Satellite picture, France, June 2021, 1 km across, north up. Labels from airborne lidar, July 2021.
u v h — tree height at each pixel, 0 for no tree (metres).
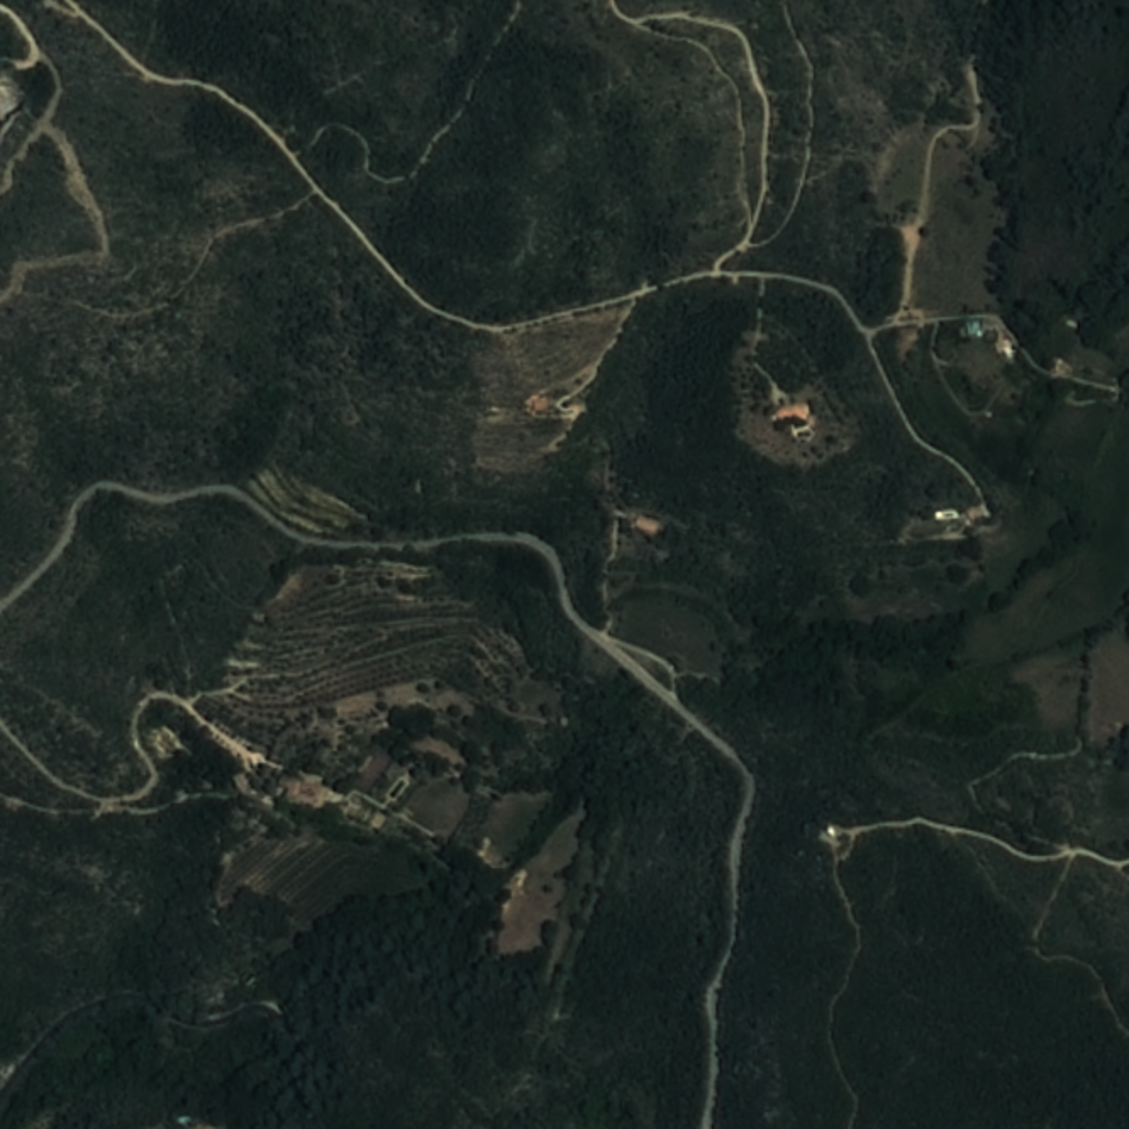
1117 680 0
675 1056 6
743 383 6
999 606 13
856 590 12
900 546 6
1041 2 23
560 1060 7
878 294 14
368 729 0
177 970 7
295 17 11
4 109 0
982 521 7
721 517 5
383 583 11
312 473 7
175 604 8
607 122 8
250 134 8
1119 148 14
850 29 0
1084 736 6
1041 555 8
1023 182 9
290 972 13
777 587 11
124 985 12
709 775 6
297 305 9
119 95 0
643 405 7
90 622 6
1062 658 0
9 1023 7
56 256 0
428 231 6
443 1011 6
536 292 9
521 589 7
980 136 0
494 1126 9
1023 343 8
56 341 9
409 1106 6
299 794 0
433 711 8
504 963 13
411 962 17
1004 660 0
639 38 0
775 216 0
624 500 7
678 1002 6
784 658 15
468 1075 6
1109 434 8
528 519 6
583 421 6
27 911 7
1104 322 9
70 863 6
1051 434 0
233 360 13
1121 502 0
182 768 16
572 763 21
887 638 7
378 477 6
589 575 6
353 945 26
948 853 8
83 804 10
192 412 8
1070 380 7
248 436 10
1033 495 0
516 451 0
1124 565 0
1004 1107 7
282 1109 18
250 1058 18
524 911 0
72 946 6
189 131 7
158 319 8
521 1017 10
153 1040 8
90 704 6
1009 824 7
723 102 0
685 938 8
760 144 0
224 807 9
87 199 0
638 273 8
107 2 7
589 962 8
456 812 0
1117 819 0
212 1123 11
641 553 9
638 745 15
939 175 0
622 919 7
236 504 6
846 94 0
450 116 5
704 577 7
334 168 9
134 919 5
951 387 0
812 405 9
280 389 6
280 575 11
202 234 0
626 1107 10
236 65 5
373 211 7
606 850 12
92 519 6
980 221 0
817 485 7
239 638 8
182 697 6
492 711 7
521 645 10
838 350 6
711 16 0
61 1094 11
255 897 11
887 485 10
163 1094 6
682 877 8
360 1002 6
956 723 6
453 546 10
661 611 0
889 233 13
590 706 14
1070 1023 6
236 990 11
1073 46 7
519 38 6
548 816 8
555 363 0
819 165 0
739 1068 6
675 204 7
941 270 0
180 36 8
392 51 6
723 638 8
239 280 9
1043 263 0
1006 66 24
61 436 6
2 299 0
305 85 7
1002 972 8
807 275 9
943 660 8
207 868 8
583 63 8
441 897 13
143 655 0
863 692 7
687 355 9
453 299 7
